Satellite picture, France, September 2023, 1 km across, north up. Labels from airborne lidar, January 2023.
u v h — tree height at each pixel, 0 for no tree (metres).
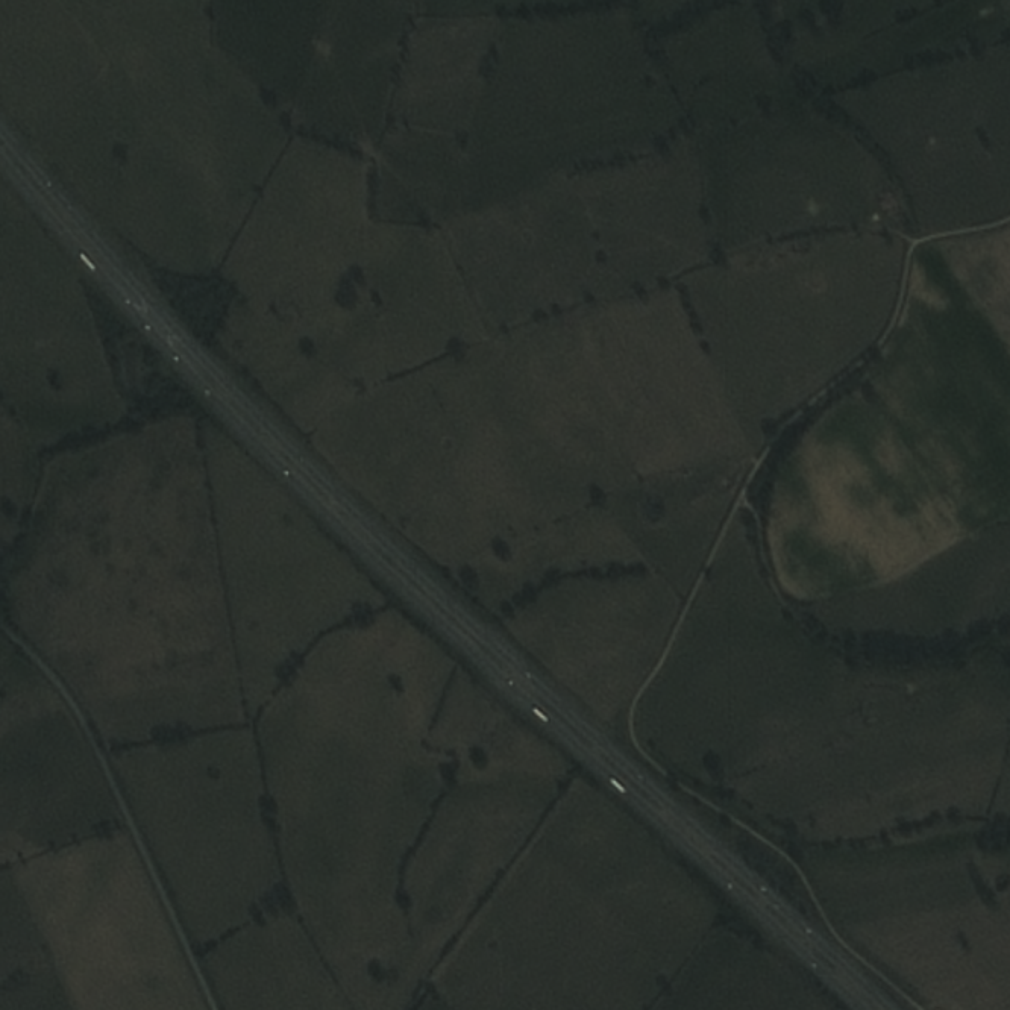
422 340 0
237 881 0
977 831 0
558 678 0
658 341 0
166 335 0
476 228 0
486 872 0
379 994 0
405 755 0
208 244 0
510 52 0
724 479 0
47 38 0
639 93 0
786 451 17
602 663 0
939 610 0
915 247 0
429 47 0
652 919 0
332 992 0
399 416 0
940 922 0
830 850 8
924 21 0
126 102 0
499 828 0
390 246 0
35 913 0
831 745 0
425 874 0
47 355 0
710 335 0
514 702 0
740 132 0
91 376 0
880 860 0
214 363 0
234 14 0
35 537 0
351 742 0
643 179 0
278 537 0
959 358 0
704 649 0
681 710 0
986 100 0
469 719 0
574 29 0
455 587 8
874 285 0
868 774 0
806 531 0
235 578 0
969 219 0
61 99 0
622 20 0
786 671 0
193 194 0
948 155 0
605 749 0
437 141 0
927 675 0
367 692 0
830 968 0
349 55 0
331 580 0
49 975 0
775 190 0
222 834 0
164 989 0
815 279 0
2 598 13
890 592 0
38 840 0
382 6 0
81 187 0
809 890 0
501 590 0
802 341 0
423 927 0
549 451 0
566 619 0
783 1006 0
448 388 0
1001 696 0
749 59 0
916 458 0
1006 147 0
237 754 0
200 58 0
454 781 15
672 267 0
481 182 0
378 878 0
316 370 0
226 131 0
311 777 0
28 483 0
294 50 0
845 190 0
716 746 0
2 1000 0
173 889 0
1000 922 0
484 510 0
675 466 0
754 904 0
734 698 0
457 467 0
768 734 0
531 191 0
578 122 0
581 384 0
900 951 0
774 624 0
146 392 9
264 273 0
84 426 0
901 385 0
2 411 0
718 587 0
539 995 0
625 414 0
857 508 0
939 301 0
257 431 0
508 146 0
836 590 0
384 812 0
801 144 0
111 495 0
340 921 0
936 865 0
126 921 0
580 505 0
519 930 0
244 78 0
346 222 0
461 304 0
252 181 0
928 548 0
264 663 0
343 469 0
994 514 0
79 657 0
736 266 0
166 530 0
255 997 0
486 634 0
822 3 0
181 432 0
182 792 0
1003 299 0
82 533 0
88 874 0
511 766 0
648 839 0
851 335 0
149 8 0
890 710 0
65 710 0
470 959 0
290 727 0
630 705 0
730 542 0
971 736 0
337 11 0
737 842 0
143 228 0
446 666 0
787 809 0
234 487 0
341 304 11
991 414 0
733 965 0
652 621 0
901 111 0
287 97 0
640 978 0
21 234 0
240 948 0
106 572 0
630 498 0
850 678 0
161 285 8
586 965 0
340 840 0
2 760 0
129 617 0
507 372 0
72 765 0
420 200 0
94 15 0
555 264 0
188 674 0
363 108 0
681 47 0
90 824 0
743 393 0
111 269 0
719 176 0
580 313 0
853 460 0
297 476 0
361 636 0
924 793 0
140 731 0
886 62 0
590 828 0
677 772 0
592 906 0
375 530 0
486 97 0
